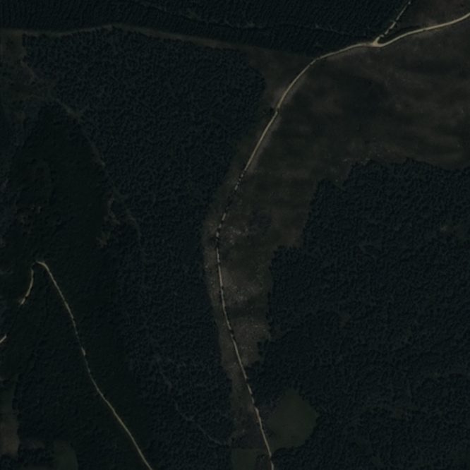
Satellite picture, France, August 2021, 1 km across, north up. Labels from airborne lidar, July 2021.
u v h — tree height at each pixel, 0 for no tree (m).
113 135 10
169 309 11
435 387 16
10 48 0
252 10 17
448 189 7
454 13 0
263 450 0
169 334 17
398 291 11
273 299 12
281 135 0
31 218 14
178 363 11
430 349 12
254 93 12
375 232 13
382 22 14
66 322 10
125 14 16
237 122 7
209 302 13
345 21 16
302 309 10
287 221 0
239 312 0
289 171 0
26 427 14
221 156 9
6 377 14
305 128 0
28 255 12
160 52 12
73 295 10
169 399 9
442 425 18
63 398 12
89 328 10
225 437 12
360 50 0
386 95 0
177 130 12
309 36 16
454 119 0
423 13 0
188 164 13
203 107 13
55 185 12
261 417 12
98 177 10
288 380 15
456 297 12
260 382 11
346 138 0
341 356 7
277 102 0
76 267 13
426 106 0
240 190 0
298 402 0
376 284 14
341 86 0
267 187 0
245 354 0
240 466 0
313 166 0
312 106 0
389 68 0
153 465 9
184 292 12
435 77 0
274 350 9
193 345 12
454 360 12
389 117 0
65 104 15
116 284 16
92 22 14
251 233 0
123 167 15
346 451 14
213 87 14
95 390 11
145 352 6
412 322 13
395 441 16
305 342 15
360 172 13
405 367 10
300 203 0
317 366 12
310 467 13
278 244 0
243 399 0
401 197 13
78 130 9
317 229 15
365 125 0
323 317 12
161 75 6
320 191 11
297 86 0
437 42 0
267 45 15
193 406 13
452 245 11
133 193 12
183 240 14
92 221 14
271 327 12
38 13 19
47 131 11
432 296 10
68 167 11
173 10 14
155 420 10
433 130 0
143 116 9
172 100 8
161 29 16
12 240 13
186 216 12
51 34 0
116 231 11
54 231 12
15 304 12
